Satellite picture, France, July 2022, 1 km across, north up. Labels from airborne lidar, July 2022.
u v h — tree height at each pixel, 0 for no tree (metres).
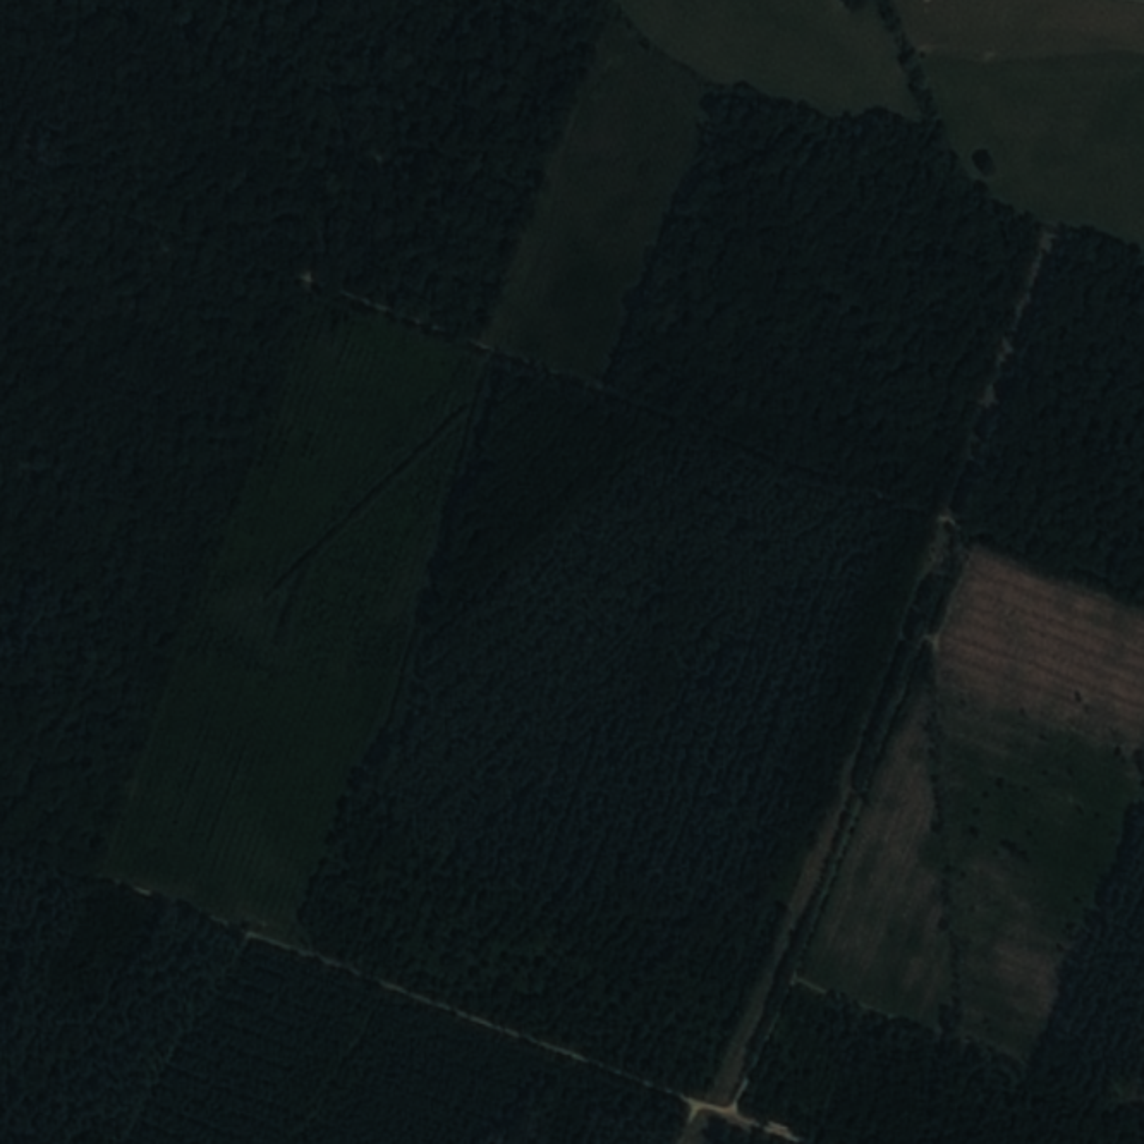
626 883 18
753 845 15
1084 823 0
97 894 13
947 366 16
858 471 17
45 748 25
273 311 16
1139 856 28
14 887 27
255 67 23
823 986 0
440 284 21
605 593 20
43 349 18
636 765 24
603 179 0
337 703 0
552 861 24
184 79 22
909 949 0
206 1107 14
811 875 0
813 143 11
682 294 19
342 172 26
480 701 22
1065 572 17
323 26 19
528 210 12
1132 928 23
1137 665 0
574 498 21
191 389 18
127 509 15
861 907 0
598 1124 20
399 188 23
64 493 19
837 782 14
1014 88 0
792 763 21
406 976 10
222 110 21
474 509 21
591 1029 8
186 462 18
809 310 16
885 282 17
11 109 23
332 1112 8
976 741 0
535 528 23
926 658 7
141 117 24
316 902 12
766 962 18
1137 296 21
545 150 20
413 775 23
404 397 0
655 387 18
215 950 26
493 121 15
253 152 19
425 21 18
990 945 0
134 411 15
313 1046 12
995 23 0
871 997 0
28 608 33
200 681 0
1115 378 22
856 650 25
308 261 20
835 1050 12
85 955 12
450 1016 8
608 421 24
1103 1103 13
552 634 23
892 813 0
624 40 0
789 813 22
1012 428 24
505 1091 11
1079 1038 28
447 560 22
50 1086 24
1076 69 0
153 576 18
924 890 0
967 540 10
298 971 13
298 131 20
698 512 22
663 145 0
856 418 16
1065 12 0
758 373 18
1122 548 21
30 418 15
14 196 20
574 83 14
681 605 25
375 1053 6
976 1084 12
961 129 0
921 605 15
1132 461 26
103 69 19
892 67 0
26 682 28
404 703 7
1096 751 0
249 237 19
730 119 20
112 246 21
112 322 15
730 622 18
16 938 23
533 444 24
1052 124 0
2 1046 27
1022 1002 0
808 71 0
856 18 0
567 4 14
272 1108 12
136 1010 22
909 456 17
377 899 7
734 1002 10
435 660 17
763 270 18
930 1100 13
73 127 28
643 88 0
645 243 0
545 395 23
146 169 21
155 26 22
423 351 0
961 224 23
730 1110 0
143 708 20
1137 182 0
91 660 26
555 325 0
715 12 0
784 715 26
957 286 20
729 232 20
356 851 13
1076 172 0
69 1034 25
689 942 18
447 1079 8
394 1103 8
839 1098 8
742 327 17
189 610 16
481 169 11
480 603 22
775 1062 12
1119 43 0
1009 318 17
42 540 18
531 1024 12
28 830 22
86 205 14
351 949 9
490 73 23
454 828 23
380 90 22
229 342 16
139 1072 24
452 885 12
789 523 20
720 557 20
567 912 12
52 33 19
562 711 21
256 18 13
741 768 25
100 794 24
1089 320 23
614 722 25
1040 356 23
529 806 23
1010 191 0
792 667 18
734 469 19
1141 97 0
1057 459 20
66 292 21
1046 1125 18
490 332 7
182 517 21
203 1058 14
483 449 20
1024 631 0
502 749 19
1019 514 16
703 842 23
